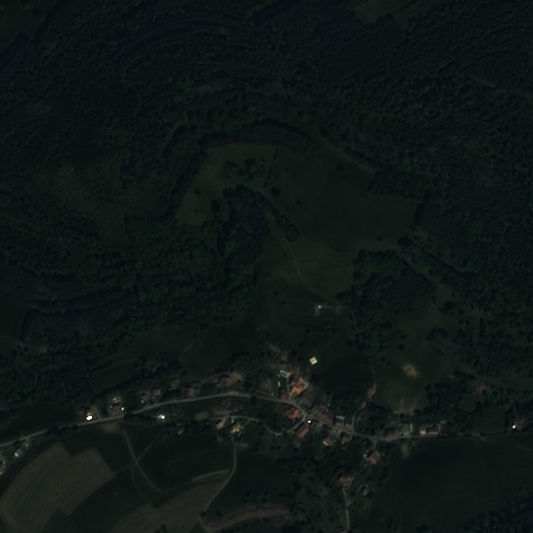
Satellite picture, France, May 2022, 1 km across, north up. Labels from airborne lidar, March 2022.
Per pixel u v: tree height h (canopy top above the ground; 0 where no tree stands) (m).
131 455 0
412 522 0
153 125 10
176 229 12
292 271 0
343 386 0
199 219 0
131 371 0
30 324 25
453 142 23
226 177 21
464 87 7
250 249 32
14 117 23
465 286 29
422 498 0
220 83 23
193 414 0
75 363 26
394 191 10
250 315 0
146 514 0
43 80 7
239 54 16
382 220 0
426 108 23
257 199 28
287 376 0
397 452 0
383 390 0
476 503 0
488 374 8
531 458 0
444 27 8
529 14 9
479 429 0
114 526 0
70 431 9
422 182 13
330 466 0
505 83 11
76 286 31
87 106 6
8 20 0
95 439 0
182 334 0
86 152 7
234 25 29
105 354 9
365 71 8
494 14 12
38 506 0
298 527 12
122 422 0
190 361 0
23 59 26
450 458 0
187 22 22
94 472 0
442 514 0
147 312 29
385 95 12
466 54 15
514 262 14
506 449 0
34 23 0
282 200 0
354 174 0
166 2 29
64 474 0
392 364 7
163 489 0
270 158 0
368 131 8
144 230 14
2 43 0
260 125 31
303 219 0
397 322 0
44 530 0
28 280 29
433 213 26
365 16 0
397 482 0
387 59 12
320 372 0
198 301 22
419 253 25
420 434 0
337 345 0
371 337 19
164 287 26
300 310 0
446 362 0
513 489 0
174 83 20
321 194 0
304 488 7
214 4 21
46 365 25
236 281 21
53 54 6
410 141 9
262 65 7
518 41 12
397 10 0
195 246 21
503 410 0
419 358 0
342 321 0
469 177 33
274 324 0
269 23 27
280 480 0
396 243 0
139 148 12
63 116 6
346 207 0
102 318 32
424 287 25
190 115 20
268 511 0
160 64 22
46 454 0
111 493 0
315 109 16
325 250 0
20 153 7
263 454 0
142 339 0
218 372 13
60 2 0
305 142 29
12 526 0
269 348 0
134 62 20
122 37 25
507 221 22
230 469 0
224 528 0
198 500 0
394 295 28
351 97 18
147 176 9
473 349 25
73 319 30
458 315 8
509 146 13
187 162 7
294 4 29
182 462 0
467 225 30
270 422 0
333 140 23
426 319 0
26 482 0
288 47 24
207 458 0
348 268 0
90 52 8
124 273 28
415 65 7
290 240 19
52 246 6
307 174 0
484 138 23
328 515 0
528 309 13
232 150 0
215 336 0
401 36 18
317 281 0
